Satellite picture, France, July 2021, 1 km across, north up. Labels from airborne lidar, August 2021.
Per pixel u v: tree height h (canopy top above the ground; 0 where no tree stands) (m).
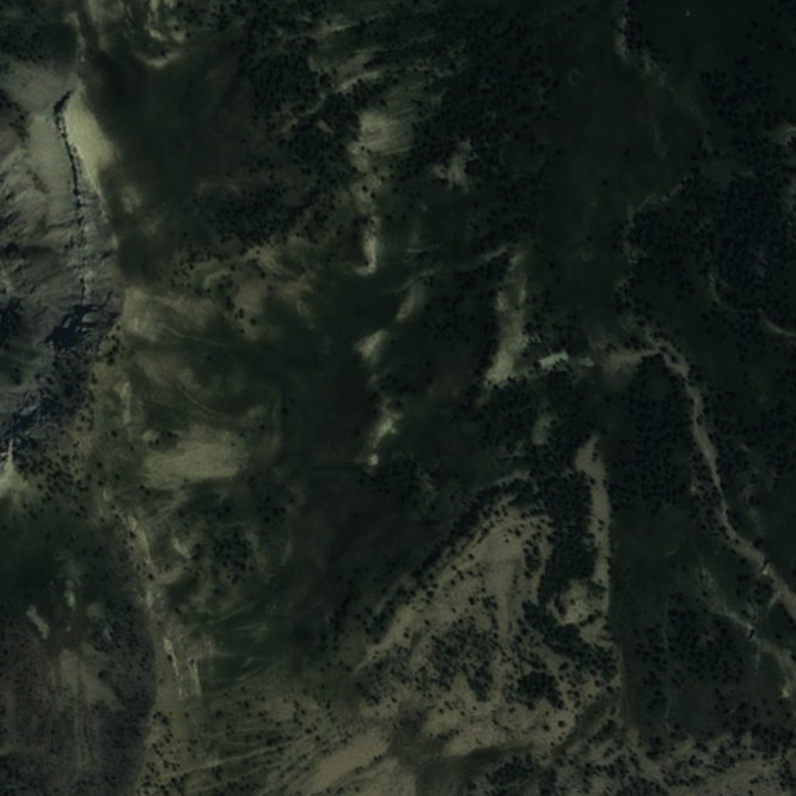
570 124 0
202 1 0
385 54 11
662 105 0
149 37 0
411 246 0
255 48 11
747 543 0
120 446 0
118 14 0
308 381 0
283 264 0
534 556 7
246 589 0
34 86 0
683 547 0
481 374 11
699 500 11
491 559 0
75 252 0
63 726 0
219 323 0
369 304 0
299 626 0
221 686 0
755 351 0
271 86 12
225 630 0
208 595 0
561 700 7
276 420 0
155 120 0
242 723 0
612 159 0
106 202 0
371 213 0
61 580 0
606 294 0
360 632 0
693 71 0
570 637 16
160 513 0
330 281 0
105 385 0
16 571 0
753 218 11
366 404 0
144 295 0
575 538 7
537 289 0
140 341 0
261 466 0
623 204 0
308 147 10
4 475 0
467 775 0
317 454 0
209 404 0
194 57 0
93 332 0
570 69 0
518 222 11
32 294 0
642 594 0
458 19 10
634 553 0
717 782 0
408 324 0
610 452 0
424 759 0
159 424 0
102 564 0
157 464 0
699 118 0
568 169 0
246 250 7
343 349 0
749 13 0
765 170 7
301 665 0
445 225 0
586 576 14
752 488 0
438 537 0
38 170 0
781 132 0
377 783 0
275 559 0
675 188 0
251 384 0
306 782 0
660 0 0
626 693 0
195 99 0
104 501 0
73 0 0
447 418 0
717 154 11
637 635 7
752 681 0
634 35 13
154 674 0
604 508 0
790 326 11
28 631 0
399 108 0
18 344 0
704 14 0
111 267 0
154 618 0
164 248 0
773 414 9
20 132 0
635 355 0
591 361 0
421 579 8
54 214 0
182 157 0
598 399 0
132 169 0
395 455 0
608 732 6
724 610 0
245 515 0
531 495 13
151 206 0
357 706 0
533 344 5
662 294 0
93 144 0
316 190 7
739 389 0
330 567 0
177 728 0
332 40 0
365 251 0
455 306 9
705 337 0
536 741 0
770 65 0
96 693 0
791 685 0
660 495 8
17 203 0
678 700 0
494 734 0
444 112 8
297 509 0
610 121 0
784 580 0
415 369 0
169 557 0
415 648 0
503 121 9
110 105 0
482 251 7
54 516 0
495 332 12
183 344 0
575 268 0
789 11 13
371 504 0
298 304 0
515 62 0
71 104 0
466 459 0
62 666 0
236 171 0
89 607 0
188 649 0
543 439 0
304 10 6
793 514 0
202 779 0
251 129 0
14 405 0
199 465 0
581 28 0
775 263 13
